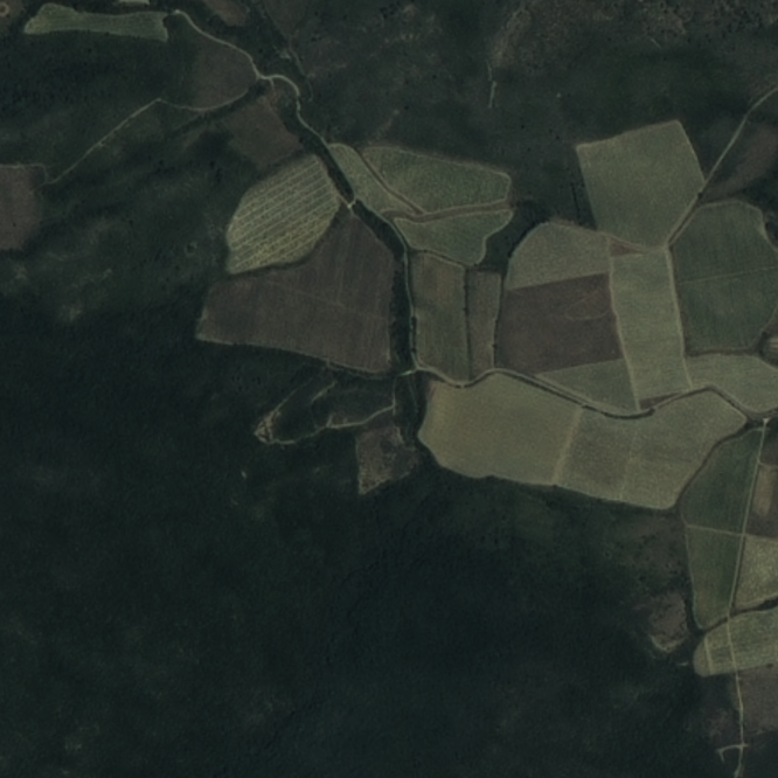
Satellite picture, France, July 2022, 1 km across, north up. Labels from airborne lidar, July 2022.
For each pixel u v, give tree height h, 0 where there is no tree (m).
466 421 0
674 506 0
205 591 7
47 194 6
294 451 6
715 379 0
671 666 5
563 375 0
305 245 0
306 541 6
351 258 0
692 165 0
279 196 0
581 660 6
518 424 0
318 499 9
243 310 0
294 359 6
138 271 7
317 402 6
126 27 0
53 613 6
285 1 0
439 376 0
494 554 6
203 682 6
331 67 0
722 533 0
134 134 0
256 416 7
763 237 0
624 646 6
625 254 0
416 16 0
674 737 7
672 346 0
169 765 5
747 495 0
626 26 0
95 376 8
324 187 0
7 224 0
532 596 6
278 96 0
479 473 0
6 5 0
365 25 0
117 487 7
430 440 0
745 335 0
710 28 0
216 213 0
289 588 7
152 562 6
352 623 7
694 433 0
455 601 6
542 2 0
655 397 0
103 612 6
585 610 7
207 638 6
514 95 0
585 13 0
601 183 0
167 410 6
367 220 8
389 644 7
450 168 0
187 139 0
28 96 8
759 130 0
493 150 0
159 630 6
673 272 0
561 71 0
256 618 7
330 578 10
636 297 0
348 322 0
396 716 5
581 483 0
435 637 6
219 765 8
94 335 6
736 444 0
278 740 6
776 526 0
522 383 0
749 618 0
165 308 7
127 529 7
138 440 6
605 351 0
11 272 0
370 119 0
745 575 0
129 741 6
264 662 8
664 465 0
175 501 7
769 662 0
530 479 0
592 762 7
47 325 7
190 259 0
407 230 0
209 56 0
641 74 0
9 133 0
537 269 0
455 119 0
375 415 0
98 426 6
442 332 0
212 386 6
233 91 0
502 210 0
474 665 7
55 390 10
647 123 0
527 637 6
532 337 0
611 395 0
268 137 0
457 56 0
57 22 0
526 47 0
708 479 0
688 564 0
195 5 8
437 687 6
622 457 0
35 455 6
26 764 6
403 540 8
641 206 0
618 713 7
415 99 0
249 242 0
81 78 7
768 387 0
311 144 6
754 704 0
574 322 0
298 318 0
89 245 0
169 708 6
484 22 0
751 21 10
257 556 7
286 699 11
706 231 0
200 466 8
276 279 0
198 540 8
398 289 8
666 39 0
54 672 7
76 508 5
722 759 0
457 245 0
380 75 0
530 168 0
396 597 10
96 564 5
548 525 0
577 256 0
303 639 11
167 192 0
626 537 0
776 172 9
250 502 6
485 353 0
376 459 0
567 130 0
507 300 0
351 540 7
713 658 0
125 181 0
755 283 0
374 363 0
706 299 0
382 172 0
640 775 8
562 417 0
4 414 7
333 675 8
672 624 0
